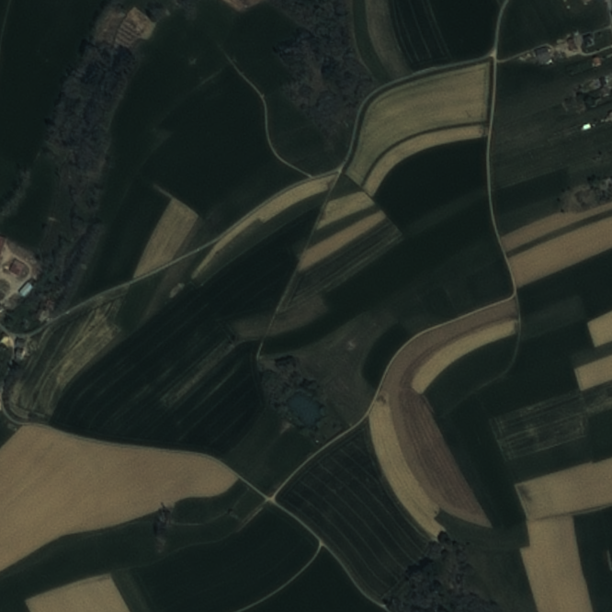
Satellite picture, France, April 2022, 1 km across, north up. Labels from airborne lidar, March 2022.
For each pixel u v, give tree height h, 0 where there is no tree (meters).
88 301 0
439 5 0
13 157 0
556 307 0
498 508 0
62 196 0
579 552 0
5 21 0
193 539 0
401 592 0
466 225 0
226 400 0
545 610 0
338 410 0
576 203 0
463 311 0
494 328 0
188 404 0
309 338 0
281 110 0
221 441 0
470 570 14
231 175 0
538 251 0
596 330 0
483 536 0
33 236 0
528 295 0
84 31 0
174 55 0
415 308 0
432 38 0
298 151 0
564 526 0
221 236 0
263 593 0
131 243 0
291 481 0
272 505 0
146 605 0
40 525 0
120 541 0
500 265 0
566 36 0
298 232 0
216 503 0
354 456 0
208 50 0
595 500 0
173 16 0
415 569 0
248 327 0
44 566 0
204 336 0
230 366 0
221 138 0
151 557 0
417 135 0
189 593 0
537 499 0
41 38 0
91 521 0
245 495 0
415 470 0
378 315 0
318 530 0
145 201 0
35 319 15
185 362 0
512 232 0
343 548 0
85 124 11
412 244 0
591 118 0
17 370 16
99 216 0
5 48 0
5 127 0
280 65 0
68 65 0
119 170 0
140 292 0
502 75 0
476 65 0
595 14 0
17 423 0
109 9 23
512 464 0
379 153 0
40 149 0
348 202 0
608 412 0
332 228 0
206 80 0
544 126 0
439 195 0
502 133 0
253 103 0
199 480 0
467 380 0
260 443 0
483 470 0
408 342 0
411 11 0
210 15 0
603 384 0
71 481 0
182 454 0
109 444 0
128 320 0
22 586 0
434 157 0
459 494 0
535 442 0
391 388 0
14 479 0
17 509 0
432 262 0
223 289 0
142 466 0
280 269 0
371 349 0
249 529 0
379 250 0
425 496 0
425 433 0
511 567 0
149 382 0
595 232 0
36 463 0
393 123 0
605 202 7
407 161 0
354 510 0
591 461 0
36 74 0
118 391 0
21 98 0
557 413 0
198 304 0
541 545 0
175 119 0
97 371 0
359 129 0
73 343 0
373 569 0
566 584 0
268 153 0
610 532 0
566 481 0
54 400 0
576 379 0
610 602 0
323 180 0
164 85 0
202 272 0
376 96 0
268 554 0
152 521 0
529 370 0
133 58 25
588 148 0
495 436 0
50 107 0
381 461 0
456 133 0
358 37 0
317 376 0
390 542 0
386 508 0
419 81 0
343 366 0
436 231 0
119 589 0
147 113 0
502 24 0
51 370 0
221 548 0
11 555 0
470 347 0
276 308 0
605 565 0
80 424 0
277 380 10
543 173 0
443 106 0
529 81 0
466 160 0
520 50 0
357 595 0
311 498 0
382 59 0
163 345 0
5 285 0
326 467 0
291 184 0
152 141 0
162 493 0
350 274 0
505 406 0
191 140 0
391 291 0
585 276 0
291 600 0
